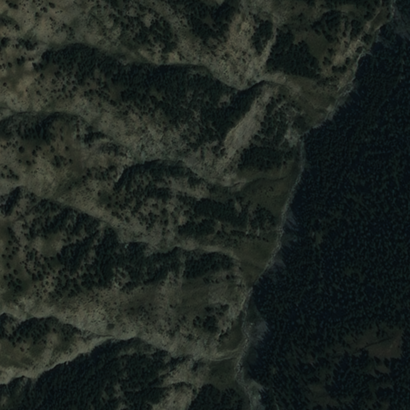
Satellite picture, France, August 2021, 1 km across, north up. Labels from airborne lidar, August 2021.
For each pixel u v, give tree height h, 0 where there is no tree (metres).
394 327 19
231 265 13
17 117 0
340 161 17
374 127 17
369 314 24
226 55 9
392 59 17
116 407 20
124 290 8
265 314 15
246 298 0
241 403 12
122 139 0
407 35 0
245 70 0
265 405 9
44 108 0
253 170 0
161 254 12
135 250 20
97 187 0
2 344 0
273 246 0
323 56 0
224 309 15
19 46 9
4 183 0
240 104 24
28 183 0
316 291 17
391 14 16
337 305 19
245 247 0
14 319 10
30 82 0
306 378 18
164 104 25
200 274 29
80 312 0
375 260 33
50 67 0
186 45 0
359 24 13
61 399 16
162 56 7
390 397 26
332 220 19
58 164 14
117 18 17
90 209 0
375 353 0
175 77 12
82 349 0
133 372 12
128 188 12
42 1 8
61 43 0
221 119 30
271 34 12
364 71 12
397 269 21
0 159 0
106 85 11
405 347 10
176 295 0
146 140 0
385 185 27
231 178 0
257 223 9
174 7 13
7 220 0
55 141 9
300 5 0
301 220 16
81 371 9
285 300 15
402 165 16
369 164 16
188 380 0
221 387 0
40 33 0
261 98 8
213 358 0
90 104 0
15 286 20
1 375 0
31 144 0
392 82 17
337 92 0
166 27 12
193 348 0
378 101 15
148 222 9
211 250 0
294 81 0
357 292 30
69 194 0
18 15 0
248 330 0
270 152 18
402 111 17
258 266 0
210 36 17
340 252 14
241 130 0
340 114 9
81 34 0
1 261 0
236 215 13
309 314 14
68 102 0
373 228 14
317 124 0
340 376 20
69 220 9
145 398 25
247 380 0
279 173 0
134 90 14
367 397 19
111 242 11
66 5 0
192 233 13
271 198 0
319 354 22
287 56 19
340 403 0
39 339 13
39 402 10
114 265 14
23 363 0
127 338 0
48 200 10
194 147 10
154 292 0
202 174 0
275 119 13
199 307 0
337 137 18
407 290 20
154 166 7
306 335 21
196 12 14
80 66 16
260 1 0
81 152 0
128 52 0
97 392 19
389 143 17
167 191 10
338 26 14
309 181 17
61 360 0
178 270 15
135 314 0
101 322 0
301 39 0
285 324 15
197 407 25
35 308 0
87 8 0
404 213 29
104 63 11
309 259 15
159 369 18
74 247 21
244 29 0
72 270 12
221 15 20
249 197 0
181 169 6
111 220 0
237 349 0
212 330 14
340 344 8
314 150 17
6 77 0
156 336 0
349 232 32
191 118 9
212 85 15
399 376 14
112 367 21
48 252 0
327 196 17
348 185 13
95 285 22
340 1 13
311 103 0
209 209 21
